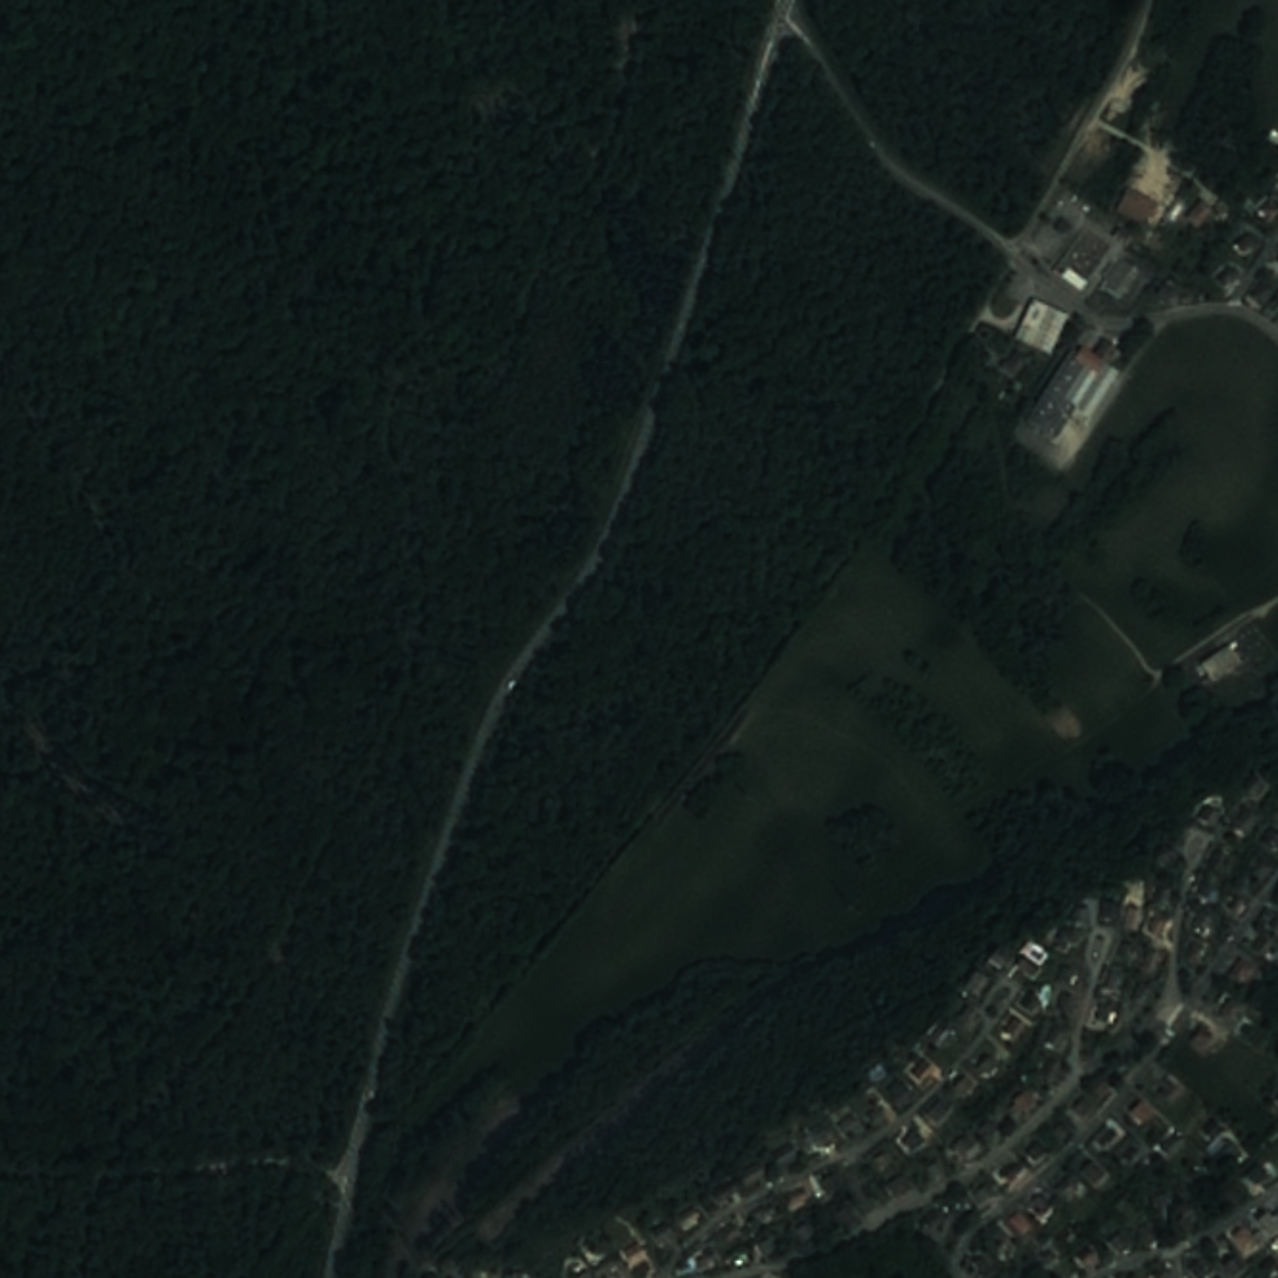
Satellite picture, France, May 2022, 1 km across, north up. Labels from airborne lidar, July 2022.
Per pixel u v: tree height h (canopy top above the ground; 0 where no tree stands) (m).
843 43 18
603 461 13
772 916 0
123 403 16
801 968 13
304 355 21
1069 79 19
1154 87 9
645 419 0
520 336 15
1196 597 0
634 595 28
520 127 27
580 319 14
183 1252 11
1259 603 0
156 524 17
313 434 23
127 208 22
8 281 22
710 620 19
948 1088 8
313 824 19
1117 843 22
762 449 16
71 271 22
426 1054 15
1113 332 0
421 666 19
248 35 21
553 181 14
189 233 14
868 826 14
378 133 19
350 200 20
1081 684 0
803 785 0
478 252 19
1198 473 0
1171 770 21
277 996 18
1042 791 11
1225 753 22
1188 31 6
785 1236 6
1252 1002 11
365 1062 15
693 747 15
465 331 19
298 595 24
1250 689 0
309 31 15
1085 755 0
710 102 17
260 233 18
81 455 17
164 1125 18
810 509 20
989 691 0
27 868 20
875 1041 15
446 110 20
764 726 0
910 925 14
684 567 16
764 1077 15
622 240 28
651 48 18
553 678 16
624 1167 11
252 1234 14
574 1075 17
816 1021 21
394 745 17
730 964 10
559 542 31
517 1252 13
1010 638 16
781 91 11
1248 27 14
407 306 21
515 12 18
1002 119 19
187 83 24
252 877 19
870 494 21
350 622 21
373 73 20
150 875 20
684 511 16
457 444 18
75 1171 18
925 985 17
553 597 11
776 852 0
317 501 19
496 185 23
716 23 18
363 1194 16
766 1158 7
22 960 20
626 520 15
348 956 16
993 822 11
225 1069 17
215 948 10
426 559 21
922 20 19
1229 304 0
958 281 17
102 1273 18
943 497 18
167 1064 18
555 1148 7
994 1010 8
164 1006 19
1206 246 7
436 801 16
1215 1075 0
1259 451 0
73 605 12
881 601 0
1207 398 0
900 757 0
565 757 20
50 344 18
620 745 19
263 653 25
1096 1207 0
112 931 20
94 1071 21
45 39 22
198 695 22
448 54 23
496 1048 0
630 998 0
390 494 22
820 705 0
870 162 11
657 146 18
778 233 16
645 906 0
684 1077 9
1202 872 6
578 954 0
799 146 16
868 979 20
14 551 7
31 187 19
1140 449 12
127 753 22
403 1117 10
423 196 19
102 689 22
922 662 11
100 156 18
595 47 18
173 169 19
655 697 17
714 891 0
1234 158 15
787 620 15
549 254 16
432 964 19
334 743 16
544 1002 0
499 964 20
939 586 22
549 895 14
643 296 29
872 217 13
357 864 17
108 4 20
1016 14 18
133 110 22
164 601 22
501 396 15
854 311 21
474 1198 15
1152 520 0
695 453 15
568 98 21
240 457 21
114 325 17
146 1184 18
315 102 20
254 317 20
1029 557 10
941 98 16
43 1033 24
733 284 19
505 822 24
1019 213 14
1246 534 0
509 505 19
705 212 18
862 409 17
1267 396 0
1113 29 12
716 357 23
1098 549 11
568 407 12
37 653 18
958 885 0
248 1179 19
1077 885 12
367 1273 12
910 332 13
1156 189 0
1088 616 0
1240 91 14
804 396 13
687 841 0
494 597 20
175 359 22
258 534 13
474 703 18
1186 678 11
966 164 20
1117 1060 13
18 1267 20
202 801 24
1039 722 0
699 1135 11
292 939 19
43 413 16
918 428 13
